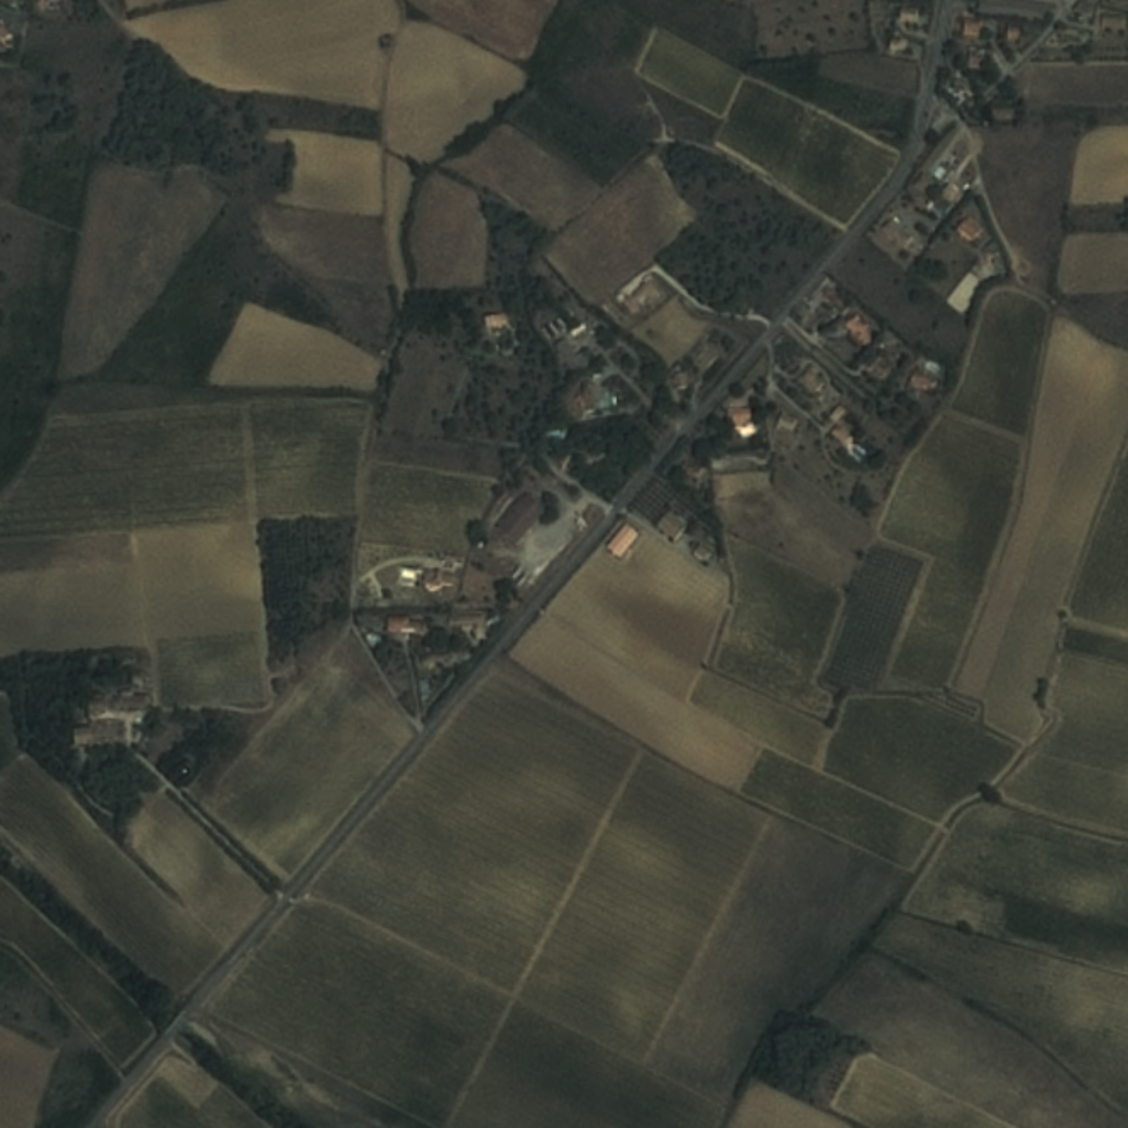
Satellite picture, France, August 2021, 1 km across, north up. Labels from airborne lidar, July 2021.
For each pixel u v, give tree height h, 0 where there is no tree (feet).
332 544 26
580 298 31
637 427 19
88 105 0
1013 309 0
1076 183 0
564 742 0
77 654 21
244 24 0
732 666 0
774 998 0
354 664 0
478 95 0
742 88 0
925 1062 0
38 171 23
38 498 0
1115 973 0
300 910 0
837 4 0
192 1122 0
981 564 0
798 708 0
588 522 0
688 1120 0
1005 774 0
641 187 0
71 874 0
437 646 38
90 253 0
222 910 0
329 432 0
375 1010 0
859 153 0
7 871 38
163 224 0
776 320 0
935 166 0
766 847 0
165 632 0
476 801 0
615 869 0
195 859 0
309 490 0
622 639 0
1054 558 0
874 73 0
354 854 0
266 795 0
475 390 18
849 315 22
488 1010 0
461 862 0
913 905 0
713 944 0
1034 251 0
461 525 0
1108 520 0
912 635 0
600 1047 0
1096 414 0
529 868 0
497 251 30
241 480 0
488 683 0
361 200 0
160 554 0
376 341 0
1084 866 0
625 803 0
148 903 0
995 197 0
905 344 37
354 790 0
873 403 37
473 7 0
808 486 0
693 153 31
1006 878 0
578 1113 0
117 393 0
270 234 0
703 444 40
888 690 0
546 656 0
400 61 0
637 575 0
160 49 34
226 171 38
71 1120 18
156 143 41
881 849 0
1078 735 0
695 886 0
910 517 0
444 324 22
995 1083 0
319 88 0
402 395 0
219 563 0
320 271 0
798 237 47
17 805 0
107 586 0
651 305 0
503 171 0
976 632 0
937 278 36
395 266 0
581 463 34
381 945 0
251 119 37
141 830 0
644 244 0
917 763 0
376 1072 0
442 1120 0
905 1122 0
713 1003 0
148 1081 0
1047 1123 0
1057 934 0
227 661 0
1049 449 0
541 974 0
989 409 0
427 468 0
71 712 21
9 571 0
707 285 26
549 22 0
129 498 0
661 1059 0
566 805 0
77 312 0
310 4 0
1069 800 0
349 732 0
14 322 0
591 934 0
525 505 0
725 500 0
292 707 0
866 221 0
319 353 0
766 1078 31
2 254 0
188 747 23
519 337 34
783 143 0
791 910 0
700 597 0
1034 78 0
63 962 0
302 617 20
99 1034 0
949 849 0
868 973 0
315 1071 0
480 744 0
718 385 0
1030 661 0
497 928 0
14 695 32
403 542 0
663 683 0
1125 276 0
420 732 0
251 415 0
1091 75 0
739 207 24
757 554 0
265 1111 32
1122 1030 0
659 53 0
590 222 0
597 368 29
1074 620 0
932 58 0
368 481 0
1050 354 0
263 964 0
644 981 0
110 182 0
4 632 0
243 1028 0
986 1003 0
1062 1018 0
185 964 0
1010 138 0
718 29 0
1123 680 0
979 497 0
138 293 0
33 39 0
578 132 0
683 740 0
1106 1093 0
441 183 0
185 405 0
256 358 0
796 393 31
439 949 0
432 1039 0
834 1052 61
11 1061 0
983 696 0
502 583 26
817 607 0
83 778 22
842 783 0
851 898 0
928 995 0
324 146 0
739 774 0
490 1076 0
